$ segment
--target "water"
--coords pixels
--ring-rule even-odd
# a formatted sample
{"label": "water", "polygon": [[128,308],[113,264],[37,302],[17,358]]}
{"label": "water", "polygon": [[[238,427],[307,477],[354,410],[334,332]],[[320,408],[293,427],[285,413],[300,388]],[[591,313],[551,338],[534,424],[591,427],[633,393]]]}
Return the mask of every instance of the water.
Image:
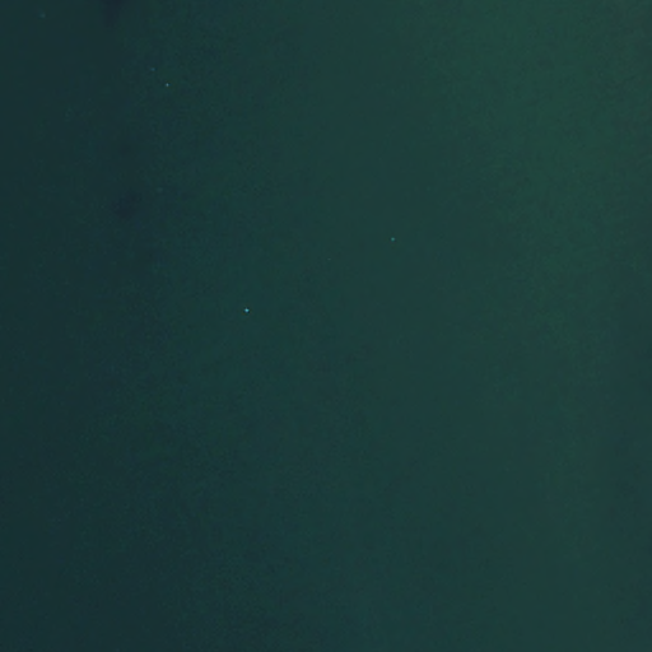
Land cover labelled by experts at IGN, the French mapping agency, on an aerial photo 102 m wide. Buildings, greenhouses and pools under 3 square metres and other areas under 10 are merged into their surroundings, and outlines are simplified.
{"label": "water", "polygon": [[652,652],[652,0],[0,0],[0,652]]}

